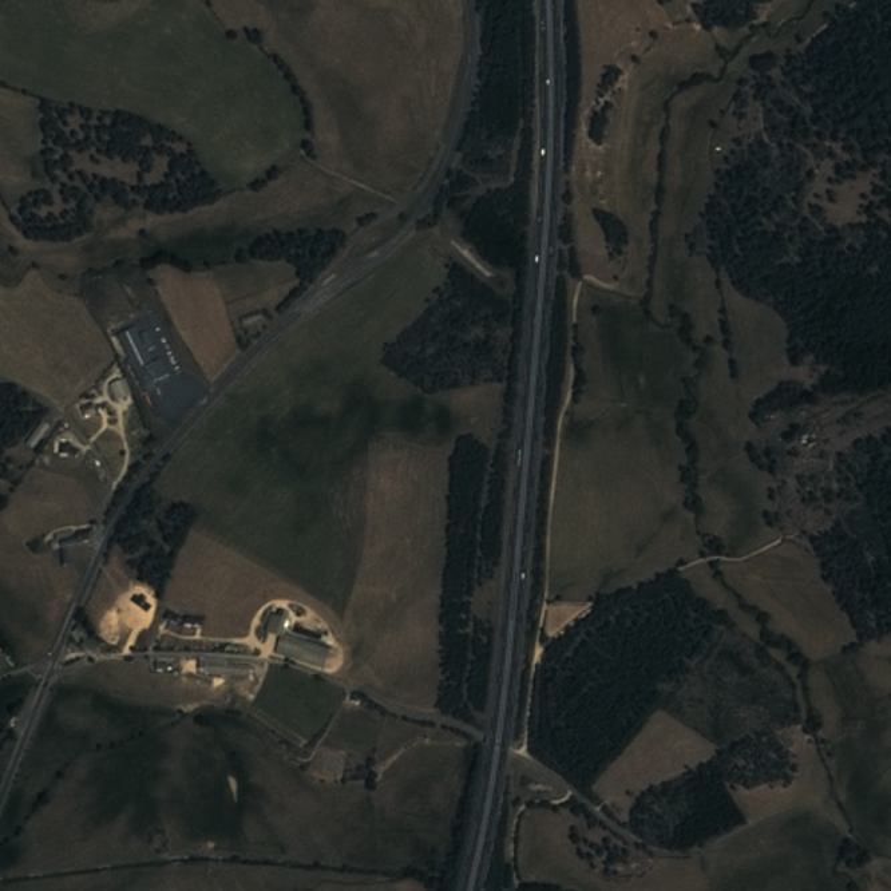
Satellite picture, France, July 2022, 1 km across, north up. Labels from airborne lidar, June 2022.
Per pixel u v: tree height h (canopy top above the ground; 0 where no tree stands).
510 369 11
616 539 0
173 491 0
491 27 7
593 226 0
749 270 15
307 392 0
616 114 0
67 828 0
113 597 0
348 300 0
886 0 20
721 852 0
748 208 11
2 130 0
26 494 0
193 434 0
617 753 14
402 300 0
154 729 0
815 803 0
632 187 0
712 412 0
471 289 13
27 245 0
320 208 0
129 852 0
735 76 0
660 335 0
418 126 0
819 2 0
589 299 0
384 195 0
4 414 22
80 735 0
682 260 0
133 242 0
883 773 0
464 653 12
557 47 0
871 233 14
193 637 0
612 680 16
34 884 0
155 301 0
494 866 10
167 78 0
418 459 0
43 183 0
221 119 0
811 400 21
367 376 0
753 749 17
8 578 0
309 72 0
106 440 0
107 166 0
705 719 0
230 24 0
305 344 0
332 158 0
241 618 0
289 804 0
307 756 0
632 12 0
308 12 0
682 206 0
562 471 0
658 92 0
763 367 0
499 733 0
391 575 0
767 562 0
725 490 0
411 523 0
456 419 0
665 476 0
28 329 0
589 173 0
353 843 0
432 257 0
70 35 0
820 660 0
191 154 16
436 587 0
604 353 0
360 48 0
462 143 12
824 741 7
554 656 12
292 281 0
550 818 0
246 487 0
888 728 0
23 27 0
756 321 0
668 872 0
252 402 0
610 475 0
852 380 13
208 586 0
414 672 0
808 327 16
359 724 0
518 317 10
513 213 9
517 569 0
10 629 0
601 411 0
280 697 0
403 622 0
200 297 0
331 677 0
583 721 19
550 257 0
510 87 11
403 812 0
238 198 0
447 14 0
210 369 0
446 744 0
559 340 11
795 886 0
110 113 9
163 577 15
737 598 0
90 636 10
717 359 0
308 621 0
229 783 0
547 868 0
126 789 0
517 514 0
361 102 0
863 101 23
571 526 0
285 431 0
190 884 0
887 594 18
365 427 0
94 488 0
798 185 7
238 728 0
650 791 9
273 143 0
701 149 0
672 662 17
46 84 0
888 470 18
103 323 0
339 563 0
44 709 0
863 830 0
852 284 21
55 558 0
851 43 15
